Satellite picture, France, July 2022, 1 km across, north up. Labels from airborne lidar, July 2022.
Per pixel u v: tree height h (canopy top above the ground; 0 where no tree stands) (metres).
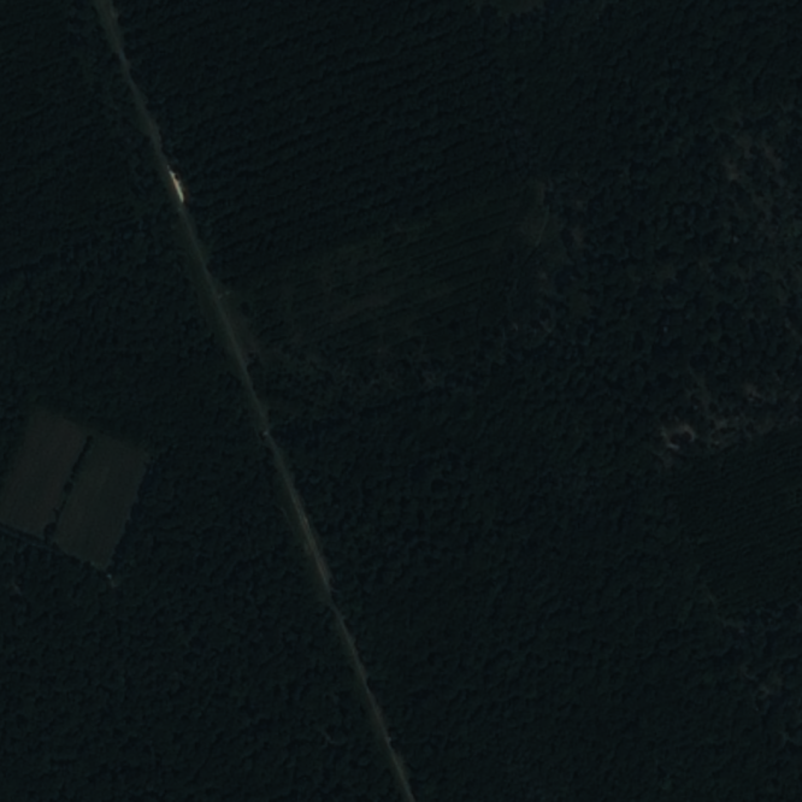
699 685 20
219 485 25
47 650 29
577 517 17
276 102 15
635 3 22
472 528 15
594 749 22
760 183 23
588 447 23
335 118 14
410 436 24
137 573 24
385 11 22
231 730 26
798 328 27
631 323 26
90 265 27
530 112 24
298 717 27
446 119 20
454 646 23
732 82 24
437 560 24
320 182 18
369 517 26
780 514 6
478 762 22
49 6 7
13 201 12
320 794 21
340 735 28
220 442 23
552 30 19
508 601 15
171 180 0
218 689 15
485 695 15
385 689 27
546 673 17
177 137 18
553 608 14
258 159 23
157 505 24
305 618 28
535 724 25
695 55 27
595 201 26
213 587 29
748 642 25
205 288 0
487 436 22
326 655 24
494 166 18
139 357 25
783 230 20
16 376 20
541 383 21
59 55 11
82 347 25
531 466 16
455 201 19
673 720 26
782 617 23
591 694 21
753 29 27
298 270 6
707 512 7
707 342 30
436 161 17
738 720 27
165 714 31
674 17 22
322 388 6
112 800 25
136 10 19
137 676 28
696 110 27
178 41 20
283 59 19
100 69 22
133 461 0
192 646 14
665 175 25
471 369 7
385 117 16
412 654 26
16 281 25
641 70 21
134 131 23
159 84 21
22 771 25
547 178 18
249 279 19
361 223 16
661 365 23
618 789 27
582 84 24
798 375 27
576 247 25
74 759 25
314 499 25
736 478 9
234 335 0
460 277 6
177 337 21
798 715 27
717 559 7
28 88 9
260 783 26
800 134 25
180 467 22
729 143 25
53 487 0
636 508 21
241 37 18
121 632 25
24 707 27
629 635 24
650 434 17
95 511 0
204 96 21
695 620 21
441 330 6
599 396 23
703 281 27
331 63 17
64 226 11
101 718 21
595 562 25
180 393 25
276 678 21
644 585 26
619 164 24
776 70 27
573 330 8
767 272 23
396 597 30
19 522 0
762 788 16
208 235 25
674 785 22
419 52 18
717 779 22
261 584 27
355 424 14
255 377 11
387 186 21
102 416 23
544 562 15
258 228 16
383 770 24
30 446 0
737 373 27
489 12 23
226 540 27
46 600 28
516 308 9
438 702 27
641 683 23
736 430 20
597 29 25
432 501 28
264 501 26
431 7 17
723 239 17
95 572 22
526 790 27
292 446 26
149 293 24
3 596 29
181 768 26
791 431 7
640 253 22
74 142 15
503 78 19
